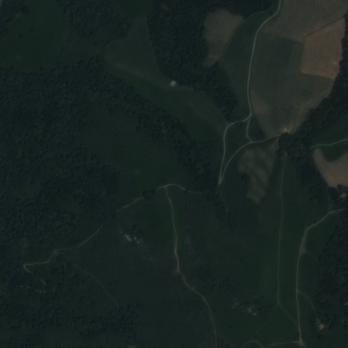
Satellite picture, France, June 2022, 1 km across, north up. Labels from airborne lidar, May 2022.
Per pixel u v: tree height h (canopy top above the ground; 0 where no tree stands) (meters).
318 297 14
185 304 0
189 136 10
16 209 22
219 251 0
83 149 7
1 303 7
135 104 29
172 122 14
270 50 0
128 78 0
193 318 0
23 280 17
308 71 0
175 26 20
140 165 0
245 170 0
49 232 15
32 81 26
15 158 13
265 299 0
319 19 0
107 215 13
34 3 0
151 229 0
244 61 0
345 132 0
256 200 0
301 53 0
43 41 0
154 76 0
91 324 30
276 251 0
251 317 0
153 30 8
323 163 0
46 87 20
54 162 20
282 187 0
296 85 0
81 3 28
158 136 18
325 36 0
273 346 0
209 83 23
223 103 16
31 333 7
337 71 0
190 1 21
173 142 6
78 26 21
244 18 8
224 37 0
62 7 10
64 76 22
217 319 0
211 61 0
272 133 0
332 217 0
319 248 0
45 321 27
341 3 0
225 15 0
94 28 11
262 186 0
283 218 0
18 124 14
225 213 7
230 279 8
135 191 0
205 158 14
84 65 18
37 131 21
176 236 0
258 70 0
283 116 0
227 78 0
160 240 0
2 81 16
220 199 7
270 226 0
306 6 0
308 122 11
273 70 0
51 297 10
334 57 0
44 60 0
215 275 0
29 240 13
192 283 0
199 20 7
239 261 0
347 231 15
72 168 16
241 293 0
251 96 0
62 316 29
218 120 0
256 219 0
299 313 0
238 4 9
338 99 15
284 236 0
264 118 0
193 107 0
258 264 0
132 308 18
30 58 0
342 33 0
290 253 0
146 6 0
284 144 17
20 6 19
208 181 18
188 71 25
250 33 0
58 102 17
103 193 11
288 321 0
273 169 0
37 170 13
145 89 0
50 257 0
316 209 0
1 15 21
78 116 10
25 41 0
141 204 0
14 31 0
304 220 0
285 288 0
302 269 0
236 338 0
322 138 0
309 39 0
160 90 0
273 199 0
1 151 28
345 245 21
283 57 0
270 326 0
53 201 17
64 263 11
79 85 22
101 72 8
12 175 17
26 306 9
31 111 18
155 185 0
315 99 0
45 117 19
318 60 0
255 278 0
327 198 0
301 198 0
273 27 0
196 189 8
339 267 23
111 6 9
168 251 0
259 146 0
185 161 14
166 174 0
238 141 0
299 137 0
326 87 0
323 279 7
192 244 0
